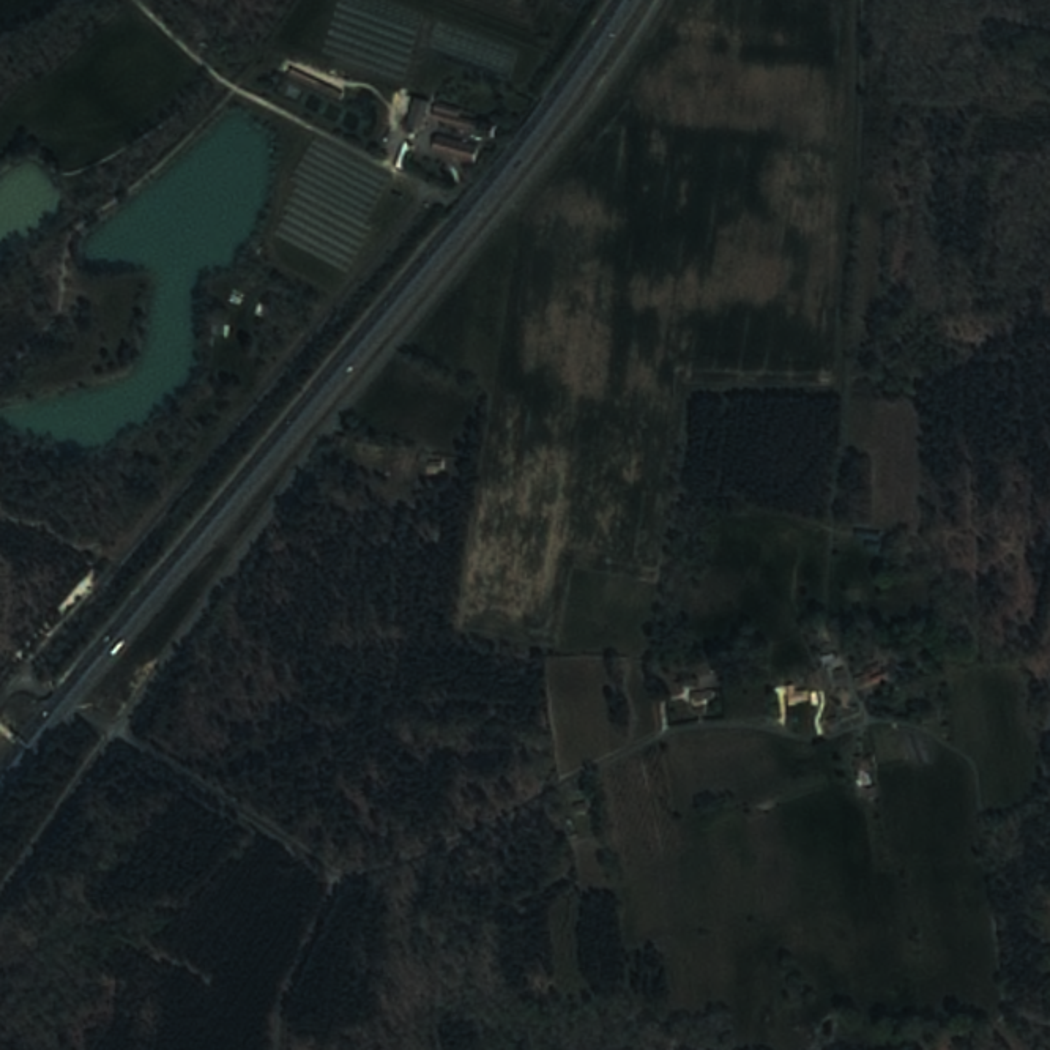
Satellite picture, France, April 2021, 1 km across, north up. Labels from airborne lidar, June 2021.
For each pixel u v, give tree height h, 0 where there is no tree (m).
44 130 0
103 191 15
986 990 0
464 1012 19
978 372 15
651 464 0
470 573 0
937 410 16
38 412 0
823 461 9
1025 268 11
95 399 0
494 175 0
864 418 0
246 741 21
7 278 20
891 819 0
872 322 9
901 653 17
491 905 20
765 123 0
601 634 0
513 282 0
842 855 0
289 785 18
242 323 0
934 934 0
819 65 0
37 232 7
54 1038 16
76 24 18
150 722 6
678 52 0
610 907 11
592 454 0
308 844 11
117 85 0
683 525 13
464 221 0
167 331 0
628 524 0
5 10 0
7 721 0
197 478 7
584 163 0
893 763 0
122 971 8
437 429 0
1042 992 11
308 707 11
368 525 12
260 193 0
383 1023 10
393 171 0
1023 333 13
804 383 0
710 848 0
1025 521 18
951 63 16
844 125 0
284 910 11
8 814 21
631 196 0
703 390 0
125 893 15
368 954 11
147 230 0
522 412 0
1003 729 0
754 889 0
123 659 0
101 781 13
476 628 0
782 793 0
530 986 16
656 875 0
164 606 0
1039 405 10
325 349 11
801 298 0
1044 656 13
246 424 6
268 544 12
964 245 11
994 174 14
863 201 0
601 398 0
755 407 12
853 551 0
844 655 9
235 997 11
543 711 11
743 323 0
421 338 0
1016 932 11
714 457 16
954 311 12
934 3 15
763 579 0
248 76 0
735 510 13
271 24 11
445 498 14
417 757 10
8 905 13
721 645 8
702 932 6
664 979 10
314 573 15
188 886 14
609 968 12
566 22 0
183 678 12
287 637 15
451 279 0
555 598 0
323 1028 14
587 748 0
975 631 14
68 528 10
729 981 0
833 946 0
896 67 18
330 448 14
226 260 0
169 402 11
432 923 10
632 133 0
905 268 10
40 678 10
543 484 0
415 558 18
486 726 13
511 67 0
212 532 0
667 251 0
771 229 0
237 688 7
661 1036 15
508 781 11
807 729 0
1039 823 13
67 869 13
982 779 0
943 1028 18
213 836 12
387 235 0
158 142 13
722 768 0
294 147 0
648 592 0
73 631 7
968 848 0
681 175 0
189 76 0
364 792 8
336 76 0
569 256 0
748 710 0
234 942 10
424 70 0
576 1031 17
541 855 25
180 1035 10
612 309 0
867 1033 0
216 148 0
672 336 0
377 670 15
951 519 10
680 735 0
